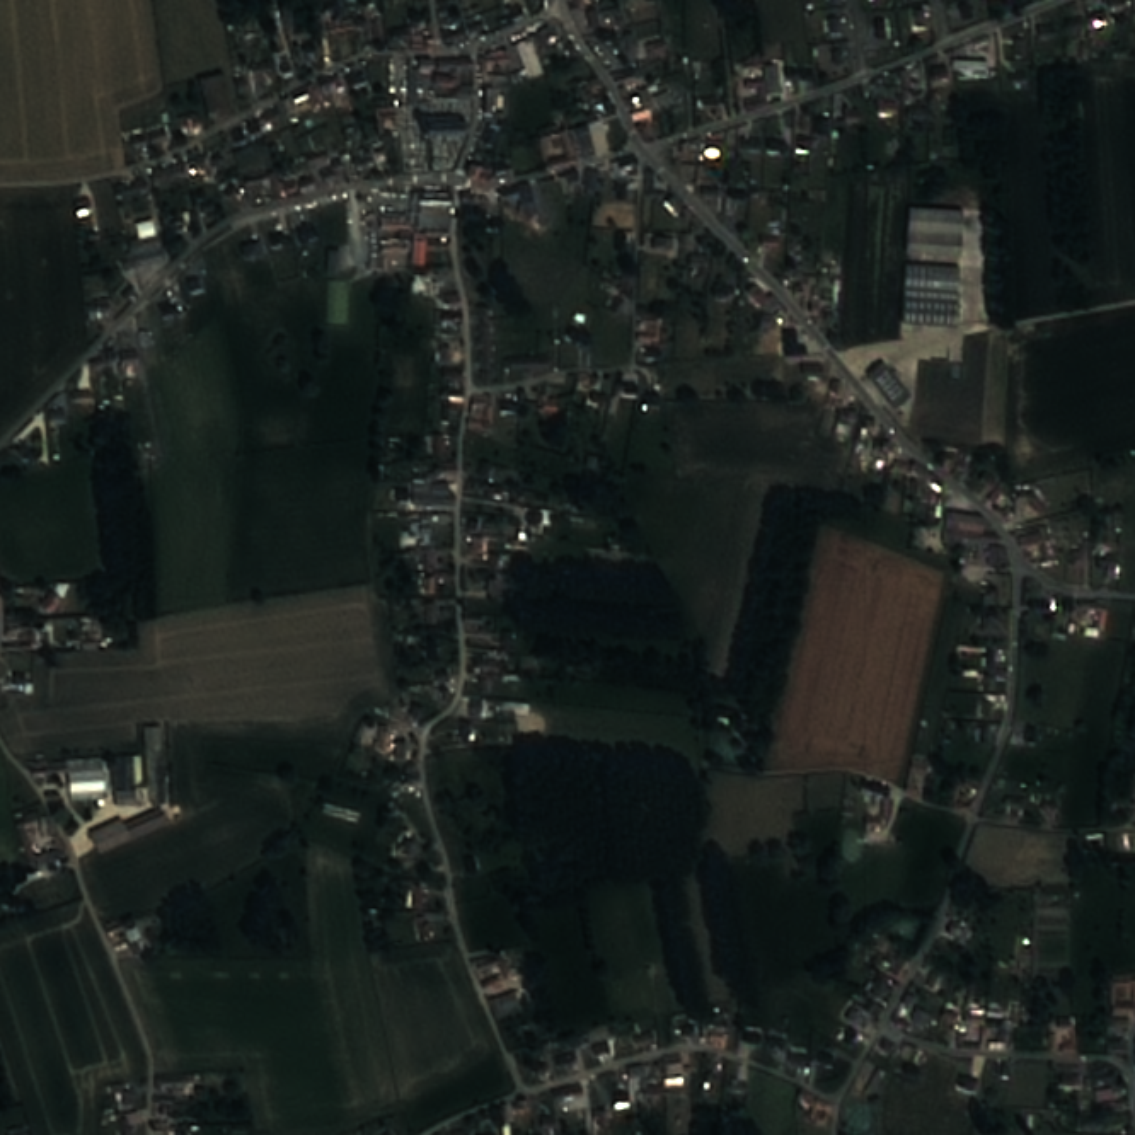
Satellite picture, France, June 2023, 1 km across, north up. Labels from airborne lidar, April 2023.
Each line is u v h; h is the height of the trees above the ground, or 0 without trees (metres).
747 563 0
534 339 0
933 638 0
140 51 0
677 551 0
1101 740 0
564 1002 0
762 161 0
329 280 0
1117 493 0
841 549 0
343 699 0
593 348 0
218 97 0
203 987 0
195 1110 6
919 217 0
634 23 0
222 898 0
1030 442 0
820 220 0
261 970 0
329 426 0
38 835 0
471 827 7
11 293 0
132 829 0
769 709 10
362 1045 0
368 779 8
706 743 0
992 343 0
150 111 0
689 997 35
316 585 0
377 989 0
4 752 0
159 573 0
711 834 0
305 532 0
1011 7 11
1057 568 0
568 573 26
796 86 0
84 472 0
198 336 0
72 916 0
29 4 0
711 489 0
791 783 0
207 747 0
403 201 0
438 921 0
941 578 0
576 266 0
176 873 0
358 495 0
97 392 0
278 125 0
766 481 0
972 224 0
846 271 0
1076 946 0
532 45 0
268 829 0
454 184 0
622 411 0
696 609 0
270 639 0
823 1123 0
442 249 0
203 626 0
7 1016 0
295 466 0
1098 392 0
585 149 0
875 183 0
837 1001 0
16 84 0
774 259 0
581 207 0
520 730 0
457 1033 0
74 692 0
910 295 0
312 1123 0
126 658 0
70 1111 0
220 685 0
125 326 0
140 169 0
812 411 0
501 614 0
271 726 0
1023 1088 0
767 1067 0
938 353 0
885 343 0
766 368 0
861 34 0
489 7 0
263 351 0
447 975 0
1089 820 0
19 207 0
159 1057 0
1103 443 0
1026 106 0
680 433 0
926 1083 0
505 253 0
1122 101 0
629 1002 0
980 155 16
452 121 0
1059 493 0
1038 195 0
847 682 0
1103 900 0
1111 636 0
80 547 0
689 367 0
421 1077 0
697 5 0
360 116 12
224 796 0
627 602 0
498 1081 0
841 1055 0
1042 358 0
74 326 0
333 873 0
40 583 9
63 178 0
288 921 23
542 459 0
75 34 0
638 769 37
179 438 0
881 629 0
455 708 0
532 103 0
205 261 0
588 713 0
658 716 0
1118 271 0
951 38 0
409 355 0
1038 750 0
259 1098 0
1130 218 0
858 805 0
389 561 8
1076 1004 0
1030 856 0
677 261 6
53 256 0
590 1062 0
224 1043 0
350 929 0
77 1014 0
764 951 0
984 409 0
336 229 0
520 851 0
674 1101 0
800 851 13
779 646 18
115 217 0
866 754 0
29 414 0
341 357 0
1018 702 0
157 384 0
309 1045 0
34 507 0
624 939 0
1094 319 0
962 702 0
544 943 0
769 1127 0
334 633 0
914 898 0
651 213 0
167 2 0
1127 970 0
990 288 15
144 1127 0
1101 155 0
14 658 0
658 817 40
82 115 0
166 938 14
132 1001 0
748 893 0
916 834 0
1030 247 0
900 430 0
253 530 0
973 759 0
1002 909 0
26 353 0
